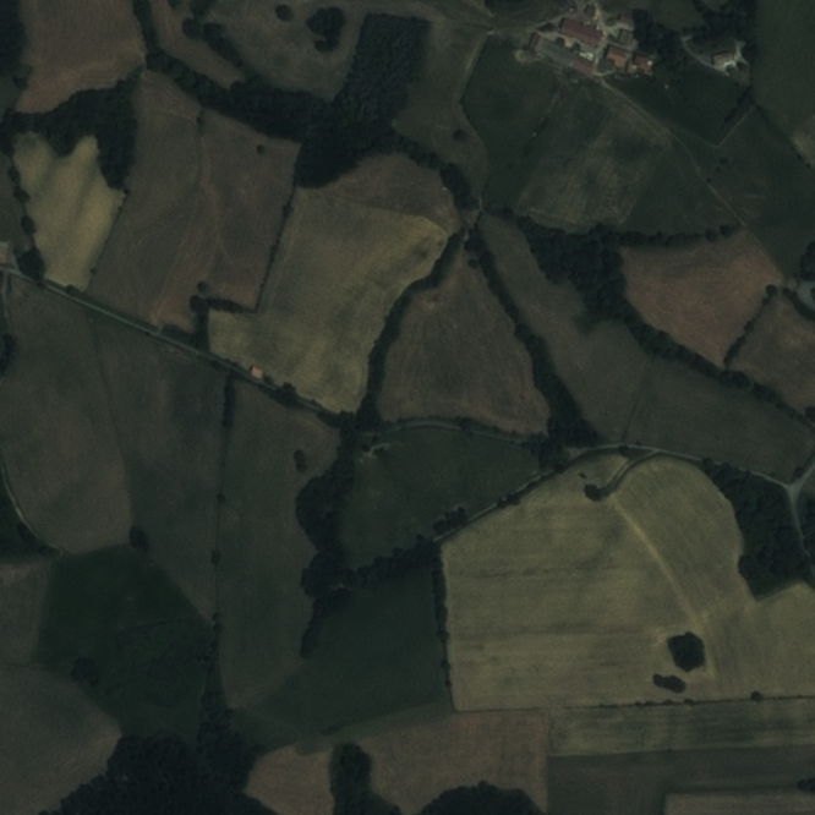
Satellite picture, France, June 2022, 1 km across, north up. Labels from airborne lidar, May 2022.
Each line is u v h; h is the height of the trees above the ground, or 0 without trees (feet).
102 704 0
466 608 0
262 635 0
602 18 0
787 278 0
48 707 0
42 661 0
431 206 0
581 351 0
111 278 0
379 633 0
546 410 0
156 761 68
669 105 0
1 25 63
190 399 0
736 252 0
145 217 0
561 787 0
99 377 0
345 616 0
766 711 0
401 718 0
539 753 0
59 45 0
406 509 0
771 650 0
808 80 0
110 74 0
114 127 73
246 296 0
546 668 0
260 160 0
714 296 0
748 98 28
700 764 0
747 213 0
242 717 0
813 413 46
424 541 50
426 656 0
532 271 0
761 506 57
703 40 43
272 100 91
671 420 0
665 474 0
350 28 0
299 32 0
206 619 0
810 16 0
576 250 42
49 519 0
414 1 0
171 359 0
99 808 81
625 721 0
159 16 0
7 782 0
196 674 0
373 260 0
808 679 0
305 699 0
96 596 0
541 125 0
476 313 0
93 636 0
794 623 0
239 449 0
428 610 0
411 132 0
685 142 0
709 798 0
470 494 0
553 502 0
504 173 0
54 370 0
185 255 0
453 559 0
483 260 31
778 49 0
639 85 0
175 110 0
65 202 0
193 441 0
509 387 0
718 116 0
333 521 50
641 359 0
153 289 0
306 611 0
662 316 0
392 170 0
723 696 0
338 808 37
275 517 0
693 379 0
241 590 0
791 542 61
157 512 0
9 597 0
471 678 0
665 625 0
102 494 0
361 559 0
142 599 0
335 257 0
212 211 0
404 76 59
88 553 0
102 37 0
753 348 0
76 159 0
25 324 0
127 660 0
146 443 0
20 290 0
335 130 79
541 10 0
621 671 0
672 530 0
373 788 0
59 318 0
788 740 0
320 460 0
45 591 0
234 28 0
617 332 0
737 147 0
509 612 0
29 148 0
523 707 0
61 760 0
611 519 0
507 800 32
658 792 0
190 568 0
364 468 0
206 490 0
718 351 0
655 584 0
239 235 0
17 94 0
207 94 55
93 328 0
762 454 0
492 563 0
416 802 0
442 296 0
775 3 0
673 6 0
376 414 48
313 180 70
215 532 0
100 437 0
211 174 0
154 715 0
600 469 0
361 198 0
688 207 0
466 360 0
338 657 0
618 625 0
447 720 0
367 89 45
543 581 0
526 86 0
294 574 0
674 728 0
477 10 0
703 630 0
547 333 0
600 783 0
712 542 0
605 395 0
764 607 0
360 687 0
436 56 0
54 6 0
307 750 0
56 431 0
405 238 0
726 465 27
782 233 0
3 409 0
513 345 0
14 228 0
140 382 0
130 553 0
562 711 0
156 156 0
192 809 62
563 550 0
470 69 0
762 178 0
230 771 48
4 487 0
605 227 47
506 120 0
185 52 0
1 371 47
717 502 0
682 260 0
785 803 0
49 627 0
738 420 0
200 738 34
